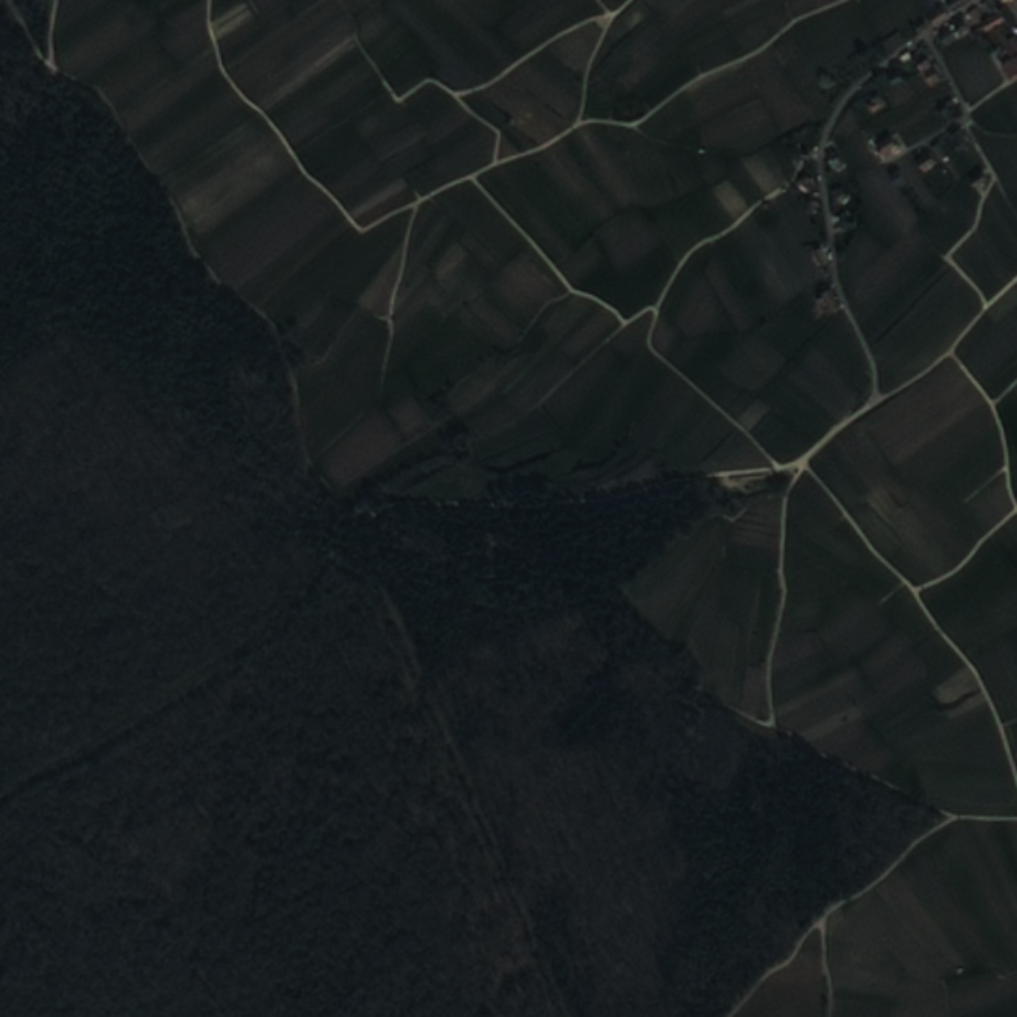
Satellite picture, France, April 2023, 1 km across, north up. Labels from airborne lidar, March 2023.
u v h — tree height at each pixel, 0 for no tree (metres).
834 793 13
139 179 15
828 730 0
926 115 0
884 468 0
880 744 0
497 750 20
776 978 0
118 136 14
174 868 21
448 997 23
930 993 0
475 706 15
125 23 0
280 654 17
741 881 15
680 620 0
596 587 15
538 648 19
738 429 0
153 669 22
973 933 0
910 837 15
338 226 0
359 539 15
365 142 0
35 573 19
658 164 0
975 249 0
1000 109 0
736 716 7
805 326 0
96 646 22
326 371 0
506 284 0
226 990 23
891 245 0
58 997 21
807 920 7
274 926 20
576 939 19
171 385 14
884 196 0
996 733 0
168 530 23
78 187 13
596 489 0
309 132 0
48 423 21
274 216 0
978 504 0
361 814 24
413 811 23
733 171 0
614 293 0
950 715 0
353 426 0
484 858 22
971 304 0
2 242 19
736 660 0
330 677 20
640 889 24
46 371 22
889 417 0
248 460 12
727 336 0
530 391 0
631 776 17
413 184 0
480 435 0
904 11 0
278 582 19
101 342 22
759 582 0
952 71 0
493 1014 21
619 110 0
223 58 0
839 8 0
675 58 0
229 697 19
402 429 0
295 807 23
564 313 0
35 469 22
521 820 18
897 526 0
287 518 17
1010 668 0
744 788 14
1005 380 0
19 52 16
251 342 14
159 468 25
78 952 26
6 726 24
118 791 20
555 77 0
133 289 16
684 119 0
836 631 0
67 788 20
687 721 19
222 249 0
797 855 13
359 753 15
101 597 20
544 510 10
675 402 0
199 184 0
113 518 21
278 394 12
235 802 20
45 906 25
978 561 0
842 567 0
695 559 0
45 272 20
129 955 25
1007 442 0
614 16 0
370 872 22
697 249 0
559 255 0
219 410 10
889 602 0
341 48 0
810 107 0
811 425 0
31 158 14
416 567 12
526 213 0
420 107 0
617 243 0
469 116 0
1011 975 0
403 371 0
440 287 0
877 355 0
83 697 24
